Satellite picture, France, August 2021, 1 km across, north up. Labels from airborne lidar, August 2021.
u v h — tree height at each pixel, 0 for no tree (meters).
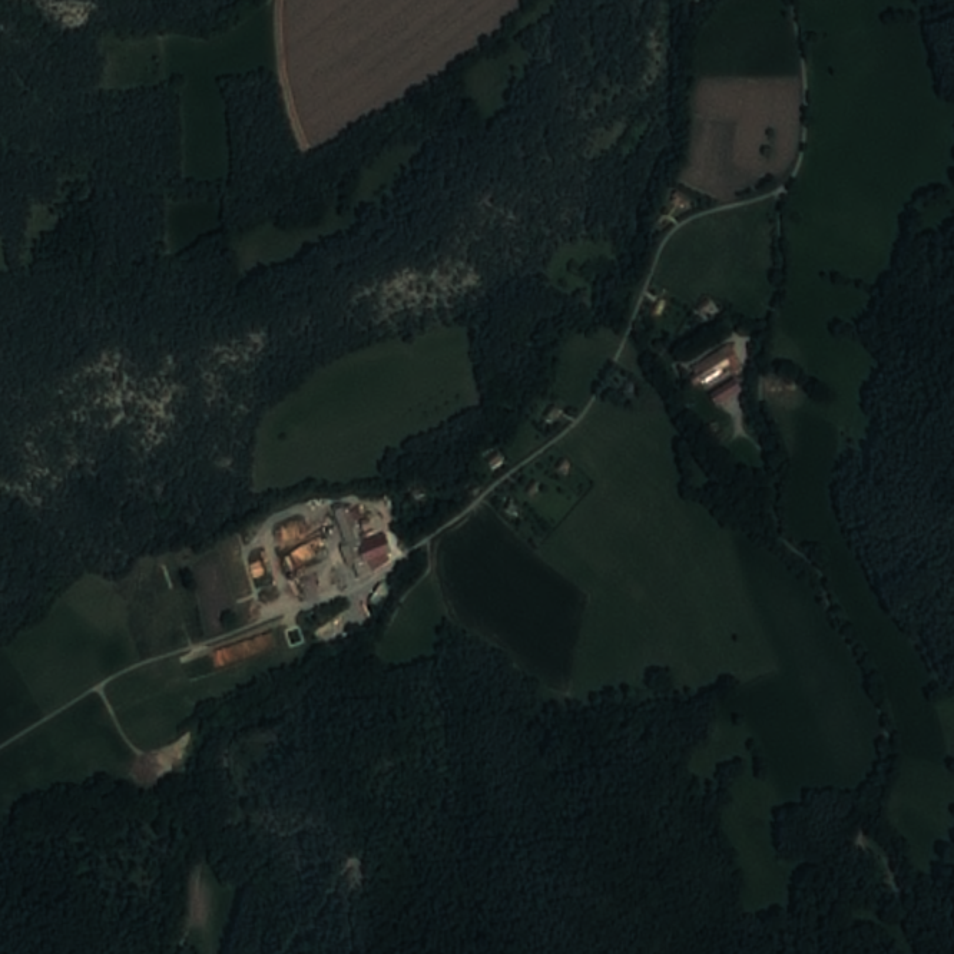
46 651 0
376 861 16
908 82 0
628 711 12
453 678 20
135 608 0
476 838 26
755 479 18
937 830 0
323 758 20
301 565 0
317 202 21
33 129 11
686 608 0
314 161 15
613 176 13
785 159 0
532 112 13
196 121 0
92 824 21
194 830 20
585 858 27
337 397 0
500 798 17
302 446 0
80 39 11
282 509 0
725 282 0
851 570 0
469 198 9
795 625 0
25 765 0
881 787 16
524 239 9
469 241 7
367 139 14
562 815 18
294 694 12
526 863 18
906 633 19
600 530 0
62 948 28
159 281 16
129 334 8
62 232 16
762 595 0
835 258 0
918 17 13
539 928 17
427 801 20
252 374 7
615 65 8
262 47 0
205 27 12
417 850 24
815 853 24
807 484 0
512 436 20
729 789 12
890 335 16
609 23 11
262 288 18
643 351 7
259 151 10
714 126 0
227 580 0
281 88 10
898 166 0
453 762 19
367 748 22
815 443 0
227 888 14
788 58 0
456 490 18
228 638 0
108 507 13
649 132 8
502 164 12
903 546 17
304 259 14
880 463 18
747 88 0
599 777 29
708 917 19
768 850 0
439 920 26
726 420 0
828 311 0
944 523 14
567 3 8
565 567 0
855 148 0
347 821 12
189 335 12
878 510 16
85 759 0
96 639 0
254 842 16
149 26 14
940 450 22
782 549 9
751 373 12
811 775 0
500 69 0
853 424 0
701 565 0
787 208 14
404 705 18
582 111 7
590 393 0
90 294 16
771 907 0
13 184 15
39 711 0
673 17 15
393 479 13
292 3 0
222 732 11
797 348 0
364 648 21
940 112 0
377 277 8
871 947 17
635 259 17
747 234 0
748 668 0
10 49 10
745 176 0
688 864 20
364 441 0
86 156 11
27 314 15
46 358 12
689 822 17
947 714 0
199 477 12
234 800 13
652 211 17
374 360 0
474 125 18
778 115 0
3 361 8
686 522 0
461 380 0
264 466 0
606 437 0
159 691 0
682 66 18
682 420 20
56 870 21
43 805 21
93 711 0
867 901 21
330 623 0
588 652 0
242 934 21
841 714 0
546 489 8
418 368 0
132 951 28
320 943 12
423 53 0
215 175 0
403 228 12
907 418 21
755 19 0
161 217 13
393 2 0
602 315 19
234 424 8
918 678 0
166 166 13
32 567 13
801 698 0
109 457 6
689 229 0
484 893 25
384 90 0
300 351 12
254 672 0
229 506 11
